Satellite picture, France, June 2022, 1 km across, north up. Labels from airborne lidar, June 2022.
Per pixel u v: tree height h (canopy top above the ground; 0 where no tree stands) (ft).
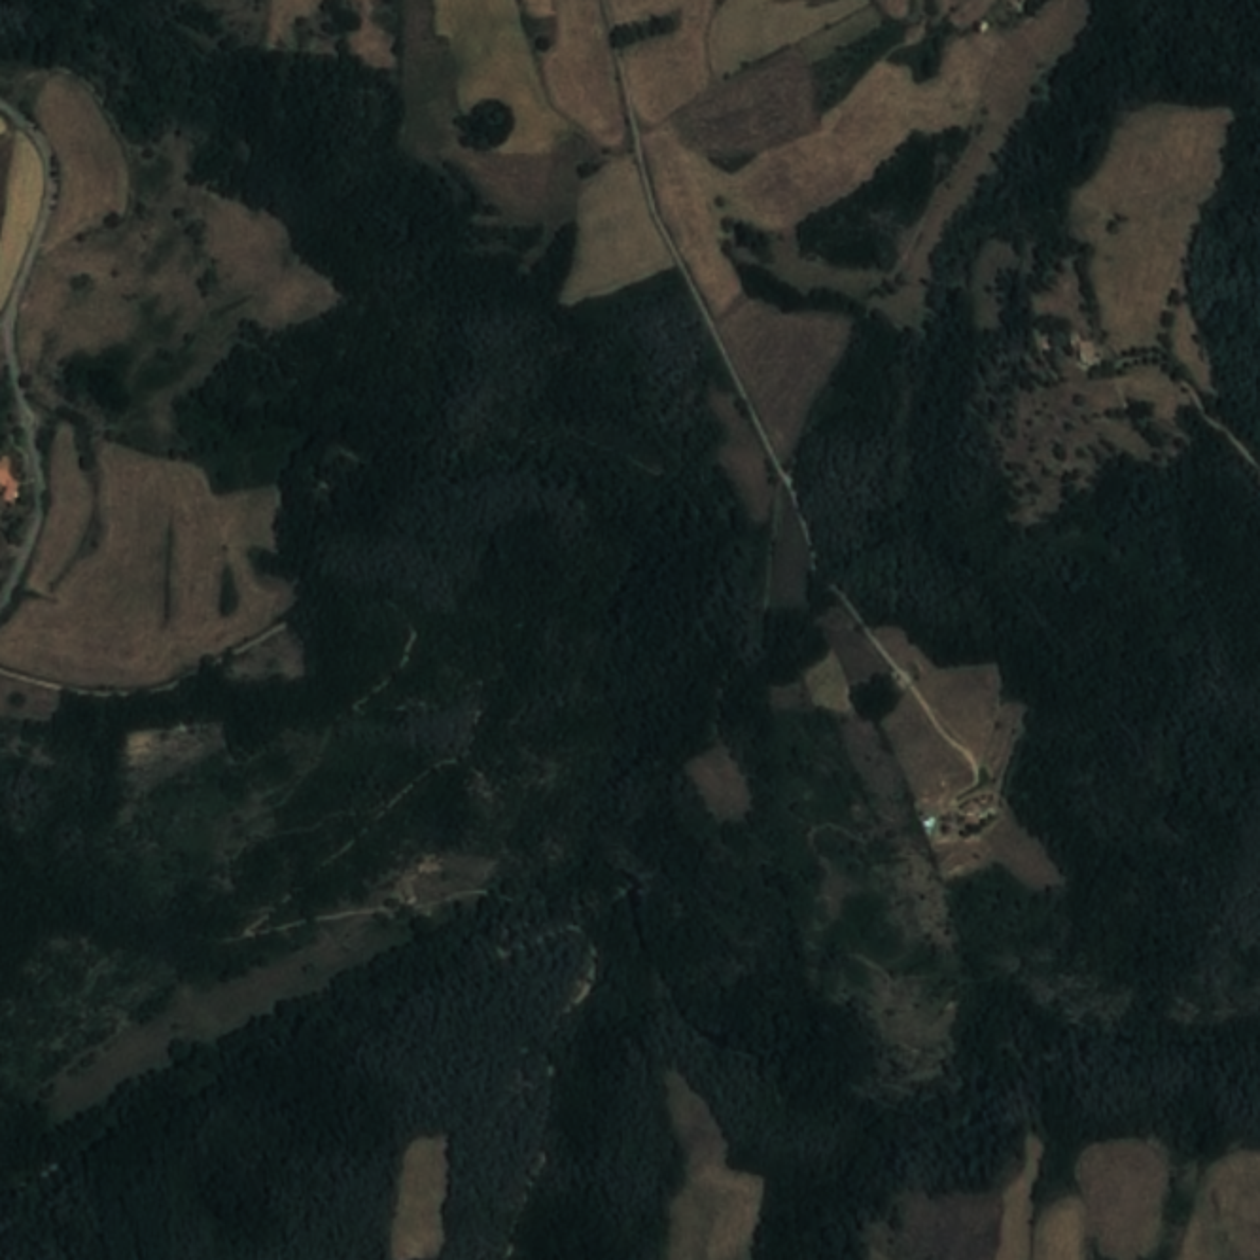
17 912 37
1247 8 39
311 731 22
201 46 30
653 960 66
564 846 32
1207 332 31
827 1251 47
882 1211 46
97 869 21
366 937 0
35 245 0
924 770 0
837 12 0
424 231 40
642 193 0
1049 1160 20
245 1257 36
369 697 17
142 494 0
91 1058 27
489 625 26
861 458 40
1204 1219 0
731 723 38
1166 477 43
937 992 27
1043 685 36
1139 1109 45
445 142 0
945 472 41
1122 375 29
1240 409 49
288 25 0
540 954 42
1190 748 55
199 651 0
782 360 0
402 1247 0
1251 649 23
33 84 0
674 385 41
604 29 0
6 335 0
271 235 0
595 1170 47
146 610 0
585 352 44
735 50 0
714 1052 43
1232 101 22
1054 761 34
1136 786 17
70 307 0
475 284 24
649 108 0
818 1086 71
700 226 0
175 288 0
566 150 0
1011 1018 49
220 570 0
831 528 38
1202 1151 39
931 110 0
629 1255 38
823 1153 30
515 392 26
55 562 0
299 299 0
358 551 45
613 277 0
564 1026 53
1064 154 30
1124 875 50
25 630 0
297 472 63
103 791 41
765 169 0
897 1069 56
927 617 36
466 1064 36
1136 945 37
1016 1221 0
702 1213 0
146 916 25
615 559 23
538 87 0
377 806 18
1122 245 0
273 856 24
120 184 0
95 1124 65
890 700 29
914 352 42
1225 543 22
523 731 31
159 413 0
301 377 32
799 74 0
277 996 0
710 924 28
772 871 30
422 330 35
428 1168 0
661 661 23
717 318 0
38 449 24
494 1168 39
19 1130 48
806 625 33
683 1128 0
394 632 29
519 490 59
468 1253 26
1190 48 19
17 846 37
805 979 22
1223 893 36
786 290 32
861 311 31
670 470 27
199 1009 0
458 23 0
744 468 0
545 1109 43
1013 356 42
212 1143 25
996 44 0
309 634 31
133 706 32
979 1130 71
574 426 47
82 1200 49
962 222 36
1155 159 0
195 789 25
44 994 25
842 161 0
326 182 54
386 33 0
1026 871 0
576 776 29
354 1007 58
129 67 22
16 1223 68
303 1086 66
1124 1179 0
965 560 39
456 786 26
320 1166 50
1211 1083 83
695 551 46
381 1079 51
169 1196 51
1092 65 43
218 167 20
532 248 30
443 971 67
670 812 26
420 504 68
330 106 35
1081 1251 0
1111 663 45
